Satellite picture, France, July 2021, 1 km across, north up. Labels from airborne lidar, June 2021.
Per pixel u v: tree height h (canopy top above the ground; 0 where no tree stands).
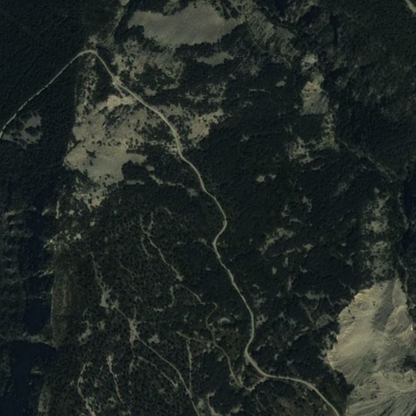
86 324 9
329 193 15
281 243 7
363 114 12
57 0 12
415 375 0
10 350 12
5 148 11
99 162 0
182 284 9
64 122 13
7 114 7
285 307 7
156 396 13
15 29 9
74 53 7
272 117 14
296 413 0
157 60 0
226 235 8
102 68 9
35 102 11
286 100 10
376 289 0
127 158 0
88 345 8
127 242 7
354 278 13
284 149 8
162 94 10
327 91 11
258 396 6
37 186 17
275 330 15
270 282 8
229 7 7
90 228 12
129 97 0
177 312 8
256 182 11
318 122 9
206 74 9
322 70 10
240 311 6
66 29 11
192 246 8
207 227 9
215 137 14
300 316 10
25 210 7
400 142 7
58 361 9
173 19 0
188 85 7
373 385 0
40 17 11
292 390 10
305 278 12
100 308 9
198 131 0
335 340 6
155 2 8
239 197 11
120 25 11
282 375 11
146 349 7
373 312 0
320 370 6
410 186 12
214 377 12
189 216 8
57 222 10
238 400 10
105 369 11
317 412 9
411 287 6
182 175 7
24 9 11
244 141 7
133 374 14
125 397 15
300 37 10
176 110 0
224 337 8
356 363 0
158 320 12
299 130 11
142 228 15
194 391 10
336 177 9
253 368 13
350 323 0
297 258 9
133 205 8
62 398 11
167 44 0
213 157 12
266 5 11
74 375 14
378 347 0
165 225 13
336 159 11
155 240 9
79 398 8
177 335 11
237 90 12
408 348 0
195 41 0
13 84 9
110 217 11
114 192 6
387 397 0
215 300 12
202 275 11
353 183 9
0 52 10
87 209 8
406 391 0
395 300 0
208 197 8
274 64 12
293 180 8
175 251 11
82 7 7
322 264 11
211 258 12
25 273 8
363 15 6
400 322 0
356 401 0
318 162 14
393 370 0
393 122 6
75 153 0
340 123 7
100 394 10
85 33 7
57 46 8
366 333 0
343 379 6
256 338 6
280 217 10
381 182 17
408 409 0
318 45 10
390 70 6
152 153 9
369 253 6
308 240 7
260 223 8
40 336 10
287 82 7
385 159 13
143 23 0
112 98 0
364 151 6
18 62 10
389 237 6
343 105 14
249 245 10
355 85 9
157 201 7
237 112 7
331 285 14
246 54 9
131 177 9
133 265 13
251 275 12
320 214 12
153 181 7
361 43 7
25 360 14
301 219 10
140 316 15
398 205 8
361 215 7
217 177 12
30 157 12
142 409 13
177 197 9
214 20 0
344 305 6
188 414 12
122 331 7
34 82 11
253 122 11
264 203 9
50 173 9
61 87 7
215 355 11
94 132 0
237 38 6
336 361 0
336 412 0
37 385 11
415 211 7
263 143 10
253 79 10
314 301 9
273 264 9
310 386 0
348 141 14
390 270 6
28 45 6
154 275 7
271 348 10
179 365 9
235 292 12
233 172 12
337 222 6
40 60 12
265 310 7
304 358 10
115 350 7
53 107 6
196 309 9
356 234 9
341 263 11
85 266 6
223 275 10
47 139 12
